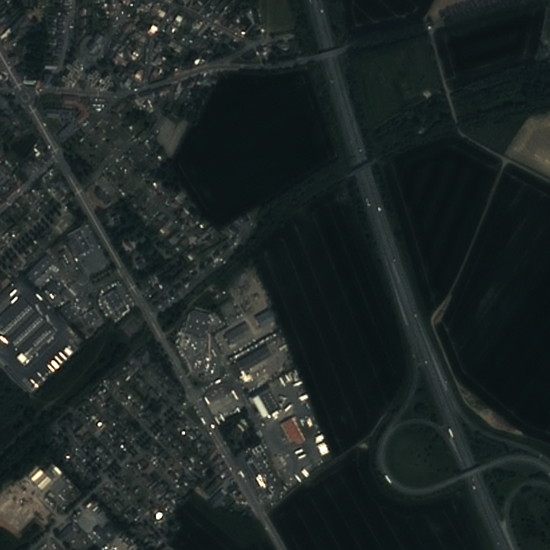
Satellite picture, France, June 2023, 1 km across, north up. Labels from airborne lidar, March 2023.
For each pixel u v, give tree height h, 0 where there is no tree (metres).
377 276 0
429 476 0
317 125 0
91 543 0
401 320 0
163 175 13
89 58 0
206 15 0
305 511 0
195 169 0
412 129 6
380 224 0
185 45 0
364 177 0
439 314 0
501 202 0
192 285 0
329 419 0
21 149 0
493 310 0
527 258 0
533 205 0
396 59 0
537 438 0
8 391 10
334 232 0
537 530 0
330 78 0
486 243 0
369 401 0
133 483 0
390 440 0
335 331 0
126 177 0
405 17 0
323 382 0
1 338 0
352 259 0
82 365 0
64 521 0
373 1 0
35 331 0
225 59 0
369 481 0
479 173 0
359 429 0
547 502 7
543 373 0
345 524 0
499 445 8
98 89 0
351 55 19
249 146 0
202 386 0
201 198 0
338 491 0
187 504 0
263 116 0
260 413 0
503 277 0
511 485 0
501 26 0
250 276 0
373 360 0
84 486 9
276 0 0
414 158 0
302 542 0
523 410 0
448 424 0
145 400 11
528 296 0
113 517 10
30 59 14
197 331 0
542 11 0
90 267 0
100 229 0
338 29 14
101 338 0
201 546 0
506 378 0
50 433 0
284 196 7
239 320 0
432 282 0
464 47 0
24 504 0
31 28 8
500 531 0
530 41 0
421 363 0
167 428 0
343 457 0
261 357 0
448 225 0
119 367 0
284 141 0
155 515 0
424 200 0
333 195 0
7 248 0
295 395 0
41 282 0
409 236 0
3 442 0
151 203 0
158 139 0
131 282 0
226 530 0
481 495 0
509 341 0
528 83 26
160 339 0
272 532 0
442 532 0
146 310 0
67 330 0
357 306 0
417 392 5
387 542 0
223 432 8
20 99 0
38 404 0
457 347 0
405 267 0
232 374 0
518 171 0
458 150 0
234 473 0
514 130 0
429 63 0
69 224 0
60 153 0
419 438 0
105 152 0
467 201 0
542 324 0
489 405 0
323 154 0
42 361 0
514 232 0
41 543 0
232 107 0
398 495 10
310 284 0
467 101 7
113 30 0
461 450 0
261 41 0
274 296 0
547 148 0
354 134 0
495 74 8
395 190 0
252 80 0
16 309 0
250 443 13
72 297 0
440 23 0
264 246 0
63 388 0
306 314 0
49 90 0
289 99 0
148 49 0
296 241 0
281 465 0
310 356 0
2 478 16
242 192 0
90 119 0
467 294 0
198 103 12
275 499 0
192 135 0
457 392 0
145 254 8
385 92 0
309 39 7
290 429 0
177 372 0
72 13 0
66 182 6
